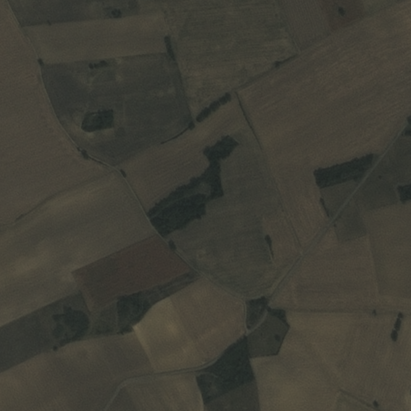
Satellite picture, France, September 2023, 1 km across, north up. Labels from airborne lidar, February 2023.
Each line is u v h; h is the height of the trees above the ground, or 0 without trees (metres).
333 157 0
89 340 0
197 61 0
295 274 0
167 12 0
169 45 6
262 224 0
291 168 0
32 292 0
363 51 0
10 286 0
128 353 0
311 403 0
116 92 0
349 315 0
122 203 0
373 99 0
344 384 0
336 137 0
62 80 0
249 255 0
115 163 0
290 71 0
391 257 0
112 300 0
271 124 0
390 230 0
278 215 0
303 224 0
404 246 0
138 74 0
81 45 0
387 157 0
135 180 0
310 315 0
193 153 0
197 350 0
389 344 0
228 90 0
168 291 0
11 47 0
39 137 0
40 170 0
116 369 0
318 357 0
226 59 0
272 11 0
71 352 0
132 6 0
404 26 0
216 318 0
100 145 0
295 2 0
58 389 0
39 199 0
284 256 0
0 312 0
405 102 0
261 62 0
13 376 0
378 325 0
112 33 0
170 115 0
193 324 0
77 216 0
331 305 0
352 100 0
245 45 0
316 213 0
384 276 0
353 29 0
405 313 0
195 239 0
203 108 0
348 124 0
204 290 0
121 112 0
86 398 0
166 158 0
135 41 0
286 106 0
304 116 0
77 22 0
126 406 0
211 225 0
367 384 0
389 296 0
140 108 0
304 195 0
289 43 0
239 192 0
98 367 0
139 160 0
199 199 10
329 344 0
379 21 0
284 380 0
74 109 0
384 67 0
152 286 0
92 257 0
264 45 0
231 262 0
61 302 0
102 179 0
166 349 0
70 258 0
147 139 0
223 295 0
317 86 0
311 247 0
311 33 0
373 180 0
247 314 0
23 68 0
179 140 0
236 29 0
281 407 0
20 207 0
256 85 0
